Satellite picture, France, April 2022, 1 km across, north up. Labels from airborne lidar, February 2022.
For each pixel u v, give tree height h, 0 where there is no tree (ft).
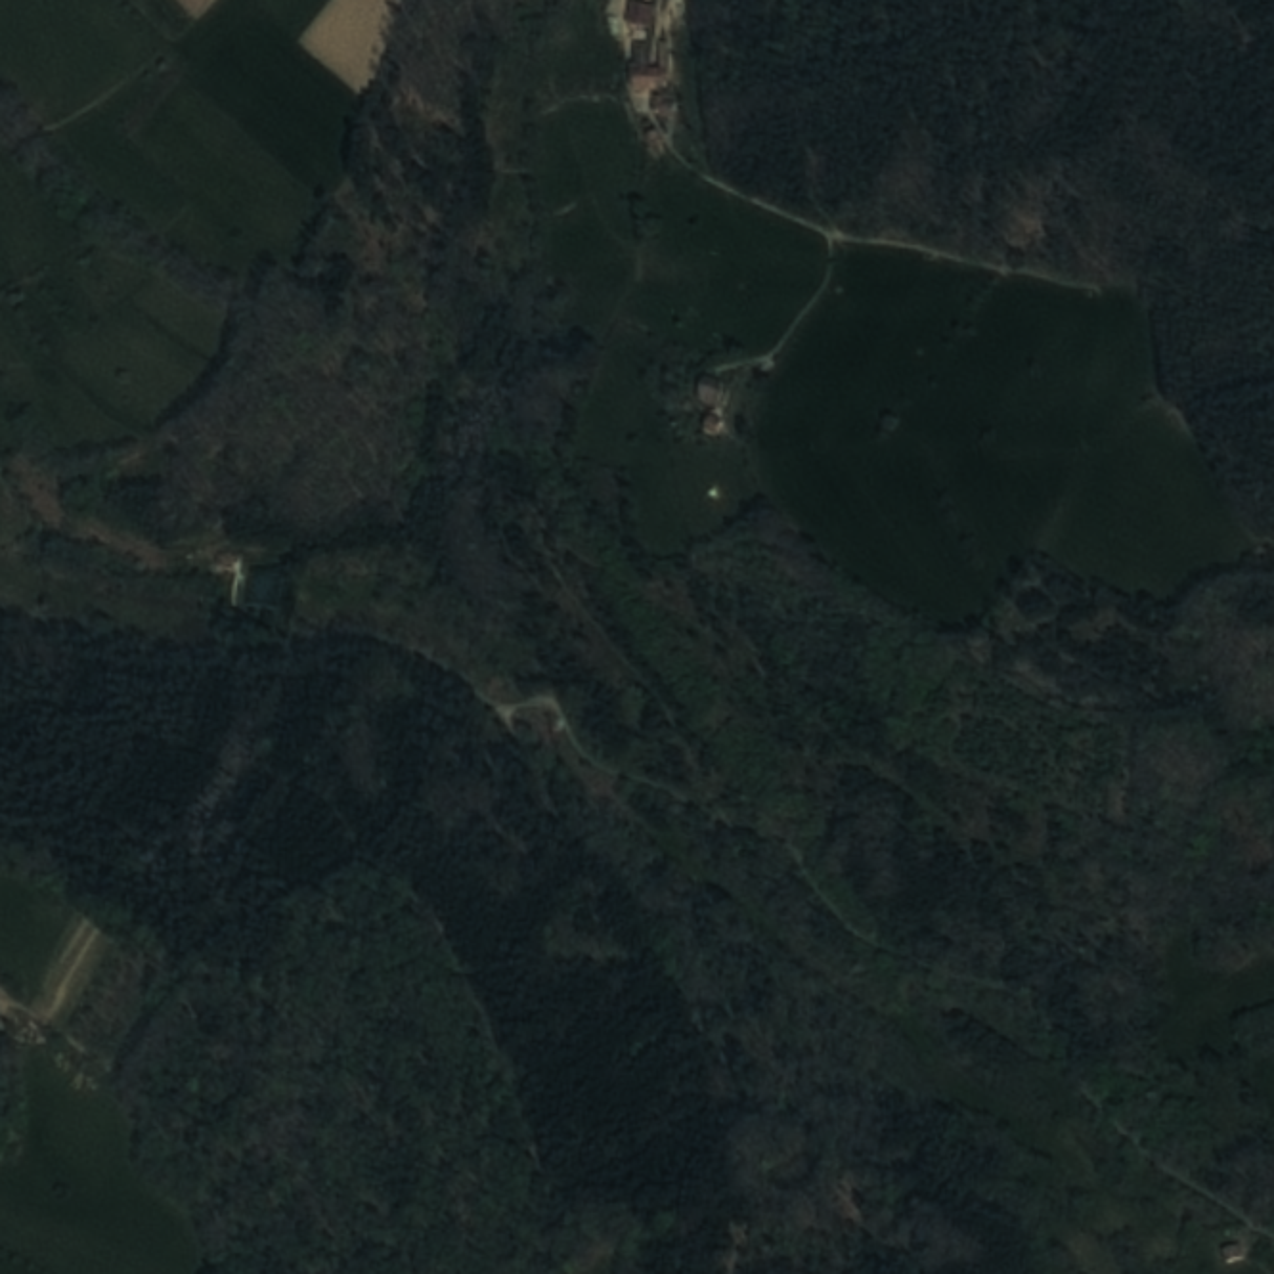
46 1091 0
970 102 65
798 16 58
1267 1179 109
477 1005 58
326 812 57
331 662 72
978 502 0
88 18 0
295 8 0
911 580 0
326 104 0
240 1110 94
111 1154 0
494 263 72
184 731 92
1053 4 77
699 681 35
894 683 90
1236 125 79
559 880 64
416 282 25
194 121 0
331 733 78
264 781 56
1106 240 73
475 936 68
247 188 0
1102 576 0
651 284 0
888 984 33
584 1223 91
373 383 111
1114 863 110
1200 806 120
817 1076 115
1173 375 62
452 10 101
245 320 89
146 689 98
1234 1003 0
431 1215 82
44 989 0
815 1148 69
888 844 105
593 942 73
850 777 63
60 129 0
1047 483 0
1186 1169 88
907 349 0
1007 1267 101
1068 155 65
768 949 67
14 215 0
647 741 41
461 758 64
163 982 77
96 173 0
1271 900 92
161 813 83
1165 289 56
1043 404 0
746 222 0
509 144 0
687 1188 88
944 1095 0
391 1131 79
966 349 0
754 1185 122
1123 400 0
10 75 0
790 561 85
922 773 22
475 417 110
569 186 0
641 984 80
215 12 0
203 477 109
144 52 0
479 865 96
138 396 0
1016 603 83
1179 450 0
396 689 45
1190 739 112
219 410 115
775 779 45
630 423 0
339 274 64
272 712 49
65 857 67
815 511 0
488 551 118
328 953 85
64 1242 0
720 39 72
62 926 0
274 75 0
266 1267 91
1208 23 60
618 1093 60
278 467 117
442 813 67
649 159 0
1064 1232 0
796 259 0
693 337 0
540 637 51
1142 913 113
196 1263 0
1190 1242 28
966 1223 84
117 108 0
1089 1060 85
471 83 97
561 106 0
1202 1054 0
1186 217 70
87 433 0
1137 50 93
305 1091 87
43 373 0
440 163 81
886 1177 91
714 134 63
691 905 74
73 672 50
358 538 65
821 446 0
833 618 85
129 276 0
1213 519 0
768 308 0
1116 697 78
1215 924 77
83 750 72
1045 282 0
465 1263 90
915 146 79
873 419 0
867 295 0
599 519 50
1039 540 0
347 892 86
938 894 88
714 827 55
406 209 74
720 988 113
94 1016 49
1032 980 98
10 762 88
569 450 65
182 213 0
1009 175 79
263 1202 91
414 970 83
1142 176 67
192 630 0
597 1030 72
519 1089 62
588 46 0
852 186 78
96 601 0
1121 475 0
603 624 42
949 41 99
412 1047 86
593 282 0
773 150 78
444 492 95
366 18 0
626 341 0
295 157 0
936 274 0
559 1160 84
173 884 75
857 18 85
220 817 29
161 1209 0
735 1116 71
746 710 21
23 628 77
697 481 0
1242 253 58
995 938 111
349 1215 84
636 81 0
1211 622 93
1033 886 108
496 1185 69
